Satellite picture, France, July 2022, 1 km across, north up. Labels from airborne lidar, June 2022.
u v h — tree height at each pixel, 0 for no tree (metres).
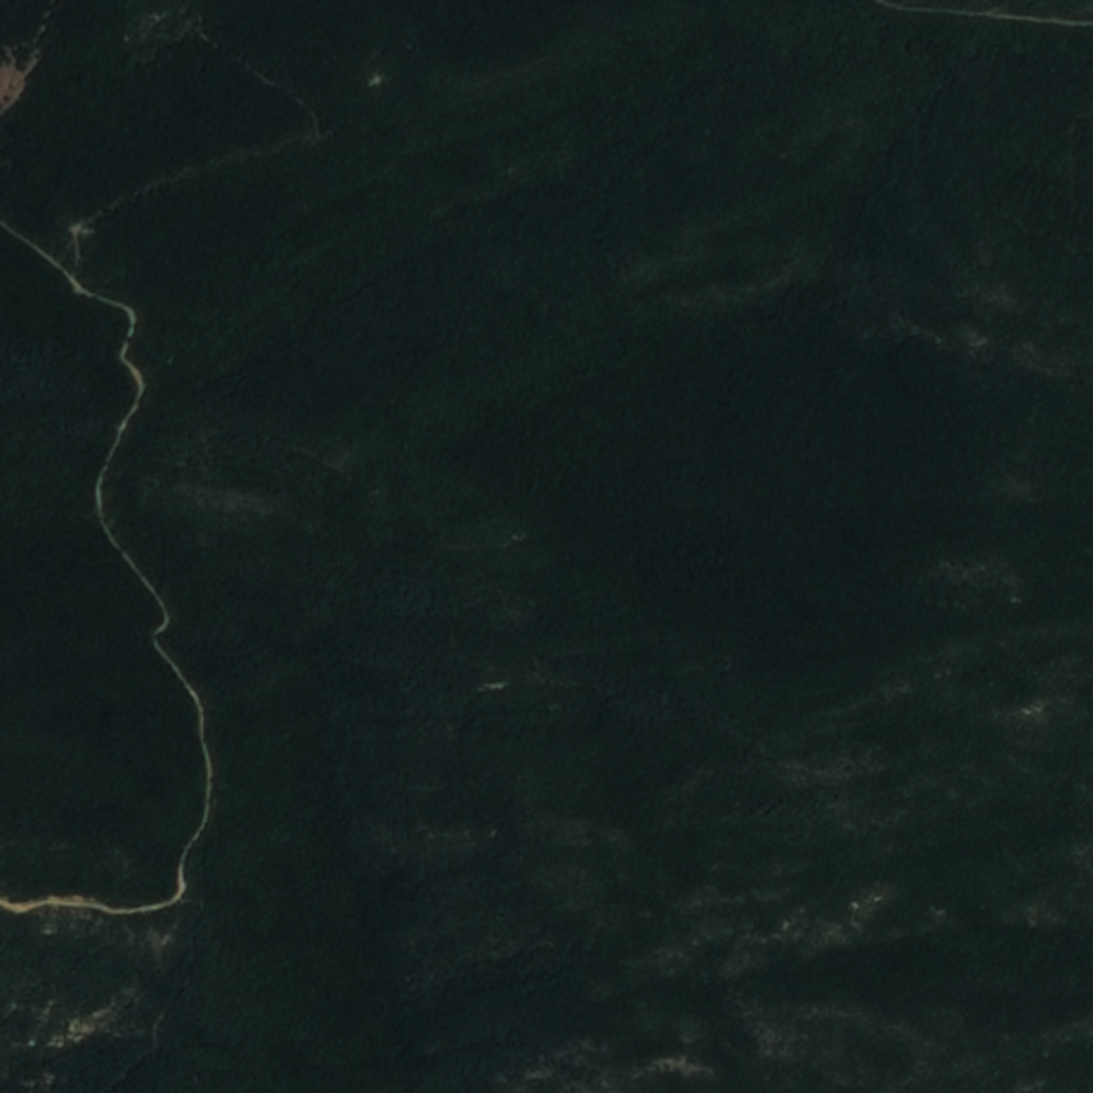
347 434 6
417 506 6
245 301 8
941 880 6
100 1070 6
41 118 14
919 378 6
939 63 8
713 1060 6
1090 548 6
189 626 8
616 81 10
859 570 10
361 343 8
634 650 6
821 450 7
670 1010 6
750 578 10
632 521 10
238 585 7
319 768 10
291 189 8
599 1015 6
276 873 9
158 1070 6
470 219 9
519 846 6
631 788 8
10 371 9
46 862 7
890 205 7
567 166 7
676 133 7
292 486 6
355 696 6
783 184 6
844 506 7
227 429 6
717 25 8
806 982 6
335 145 6
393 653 8
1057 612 6
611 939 5
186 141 10
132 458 8
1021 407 7
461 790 5
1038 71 8
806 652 10
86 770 6
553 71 6
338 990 9
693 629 10
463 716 6
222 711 6
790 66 6
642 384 8
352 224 5
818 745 5
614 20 6
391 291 12
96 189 10
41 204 10
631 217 6
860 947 7
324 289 8
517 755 5
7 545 6
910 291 5
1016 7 6
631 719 11
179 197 9
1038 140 6
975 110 6
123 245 10
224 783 9
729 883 6
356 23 7
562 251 6
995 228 5
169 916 7
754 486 10
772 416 8
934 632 6
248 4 16
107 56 8
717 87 11
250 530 5
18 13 10
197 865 11
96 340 7
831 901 6
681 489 9
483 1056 7
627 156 8
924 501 7
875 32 14
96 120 10
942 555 6
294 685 6
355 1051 8
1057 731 5
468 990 8
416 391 9
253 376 12
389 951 8
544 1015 6
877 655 7
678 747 6
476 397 6
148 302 8
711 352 9
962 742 6
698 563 12
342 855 9
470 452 8
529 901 6
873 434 9
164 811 8
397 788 7
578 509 10
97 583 6
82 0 11
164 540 8
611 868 6
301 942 7
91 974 6
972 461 5
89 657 8
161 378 10
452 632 7
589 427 8
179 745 7
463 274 8
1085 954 6
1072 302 6
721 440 9
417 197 6
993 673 6
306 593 7
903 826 6
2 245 6
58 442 6
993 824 6
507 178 6
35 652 8
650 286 8
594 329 7
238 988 6
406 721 6
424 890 6
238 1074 7
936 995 6
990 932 8
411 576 7
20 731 6
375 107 6
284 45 8
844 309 7
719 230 8
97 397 6
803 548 11
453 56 7
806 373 8
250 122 7
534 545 7
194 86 11
